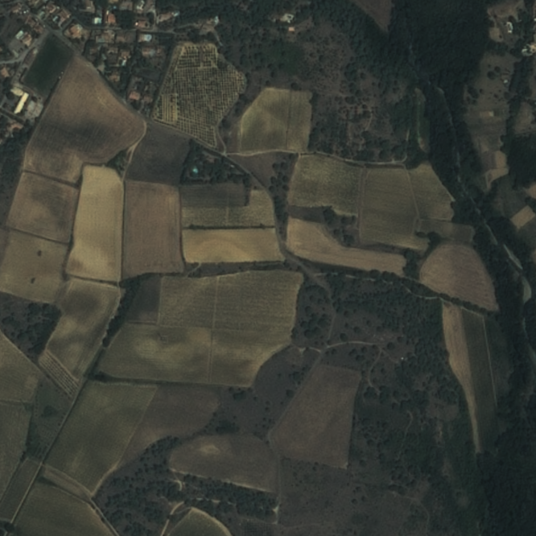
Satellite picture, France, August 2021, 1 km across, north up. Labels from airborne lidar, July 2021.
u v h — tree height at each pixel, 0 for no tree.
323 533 0
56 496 0
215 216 0
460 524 6
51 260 0
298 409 0
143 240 0
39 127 0
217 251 0
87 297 0
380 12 0
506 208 0
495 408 0
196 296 0
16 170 6
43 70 0
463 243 0
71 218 0
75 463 0
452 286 0
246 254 0
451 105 19
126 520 12
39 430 0
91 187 0
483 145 0
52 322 7
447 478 8
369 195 0
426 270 0
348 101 9
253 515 13
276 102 0
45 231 0
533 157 8
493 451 0
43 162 0
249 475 0
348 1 15
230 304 0
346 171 0
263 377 0
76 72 0
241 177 11
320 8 10
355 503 8
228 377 0
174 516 7
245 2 13
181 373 0
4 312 0
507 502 21
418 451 6
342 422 0
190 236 0
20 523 0
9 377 0
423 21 15
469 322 0
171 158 0
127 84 8
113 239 0
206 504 12
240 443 0
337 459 0
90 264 0
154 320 0
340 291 10
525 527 14
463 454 7
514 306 17
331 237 0
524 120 0
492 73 10
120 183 0
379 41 14
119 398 0
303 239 0
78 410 0
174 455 0
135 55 10
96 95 0
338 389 0
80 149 0
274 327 0
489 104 0
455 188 12
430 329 17
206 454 0
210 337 0
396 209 0
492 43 14
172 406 0
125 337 0
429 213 0
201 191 0
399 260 0
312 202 0
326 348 0
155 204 0
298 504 0
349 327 8
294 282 0
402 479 10
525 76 16
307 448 0
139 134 0
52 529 0
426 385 9
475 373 0
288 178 7
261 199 0
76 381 0
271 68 11
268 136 0
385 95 6
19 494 0
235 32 10
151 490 10
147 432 0
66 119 0
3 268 0
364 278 9
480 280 0
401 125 13
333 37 8
